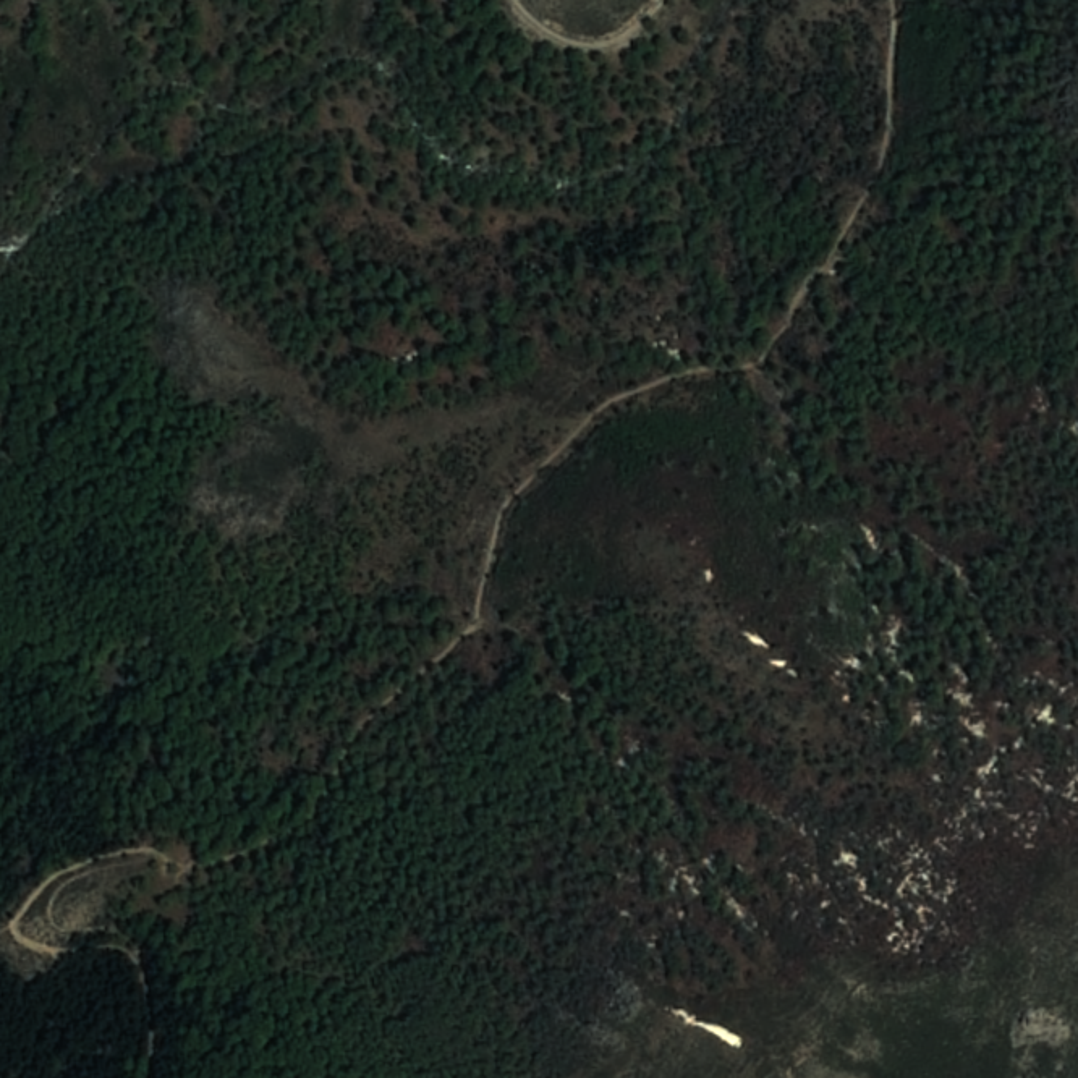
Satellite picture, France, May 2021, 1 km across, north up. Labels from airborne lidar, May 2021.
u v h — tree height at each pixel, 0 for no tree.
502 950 18
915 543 26
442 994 12
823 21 7
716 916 12
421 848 20
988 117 16
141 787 18
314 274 24
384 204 24
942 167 18
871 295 16
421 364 22
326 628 28
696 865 11
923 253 18
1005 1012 0
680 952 13
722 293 14
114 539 15
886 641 13
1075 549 14
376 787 19
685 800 15
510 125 20
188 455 11
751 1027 0
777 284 13
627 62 20
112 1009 27
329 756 18
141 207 22
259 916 13
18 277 15
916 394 16
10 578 22
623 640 16
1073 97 0
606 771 21
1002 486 14
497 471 0
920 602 25
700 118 13
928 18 10
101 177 0
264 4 29
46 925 0
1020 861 0
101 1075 25
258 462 0
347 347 0
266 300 16
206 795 21
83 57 0
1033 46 26
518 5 0
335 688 18
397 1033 16
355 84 13
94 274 17
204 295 0
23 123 12
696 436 7
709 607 8
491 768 17
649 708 18
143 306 16
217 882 14
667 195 15
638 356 11
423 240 0
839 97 18
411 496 13
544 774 21
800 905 6
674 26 0
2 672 20
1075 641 13
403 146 16
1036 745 14
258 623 21
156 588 21
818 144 12
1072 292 15
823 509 7
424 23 18
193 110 13
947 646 19
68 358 20
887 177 15
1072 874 0
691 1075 0
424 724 16
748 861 0
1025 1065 0
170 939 18
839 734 0
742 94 9
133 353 23
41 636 23
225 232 27
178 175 28
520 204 18
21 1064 22
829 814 7
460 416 0
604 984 5
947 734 16
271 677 24
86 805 16
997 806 9
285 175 26
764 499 7
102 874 0
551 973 15
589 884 17
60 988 20
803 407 20
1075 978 0
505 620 10
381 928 17
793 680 7
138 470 20
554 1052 9
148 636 6
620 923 12
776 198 12
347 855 18
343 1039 18
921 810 10
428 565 13
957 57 6
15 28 26
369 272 27
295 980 12
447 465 8
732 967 10
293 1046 20
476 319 26
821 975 0
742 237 19
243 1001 18
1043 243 13
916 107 6
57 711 21
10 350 24
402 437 7
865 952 0
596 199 16
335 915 17
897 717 14
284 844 8
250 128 11
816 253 16
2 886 14
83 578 14
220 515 0
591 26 0
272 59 16
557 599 12
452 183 15
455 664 9
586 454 24
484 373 0
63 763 19
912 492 18
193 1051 19
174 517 8
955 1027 0
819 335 18
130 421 32
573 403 0
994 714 0
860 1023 0
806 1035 0
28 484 20
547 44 13
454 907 19
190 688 29
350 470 0
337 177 26
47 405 23
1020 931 0
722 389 6
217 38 0
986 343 23
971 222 20
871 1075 0
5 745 22
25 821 14
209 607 9
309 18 17
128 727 25
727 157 16
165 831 9
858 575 20
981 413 9
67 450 27
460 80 24
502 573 6
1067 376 22
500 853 14
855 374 21
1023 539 18
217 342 0
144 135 19
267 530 0
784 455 7
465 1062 19
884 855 11
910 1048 0
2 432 16
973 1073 0
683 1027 0
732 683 7
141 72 14
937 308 19
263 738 0
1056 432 12
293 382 0
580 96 20
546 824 19
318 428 0
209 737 13
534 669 20
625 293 7
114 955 22
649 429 6
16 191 13
